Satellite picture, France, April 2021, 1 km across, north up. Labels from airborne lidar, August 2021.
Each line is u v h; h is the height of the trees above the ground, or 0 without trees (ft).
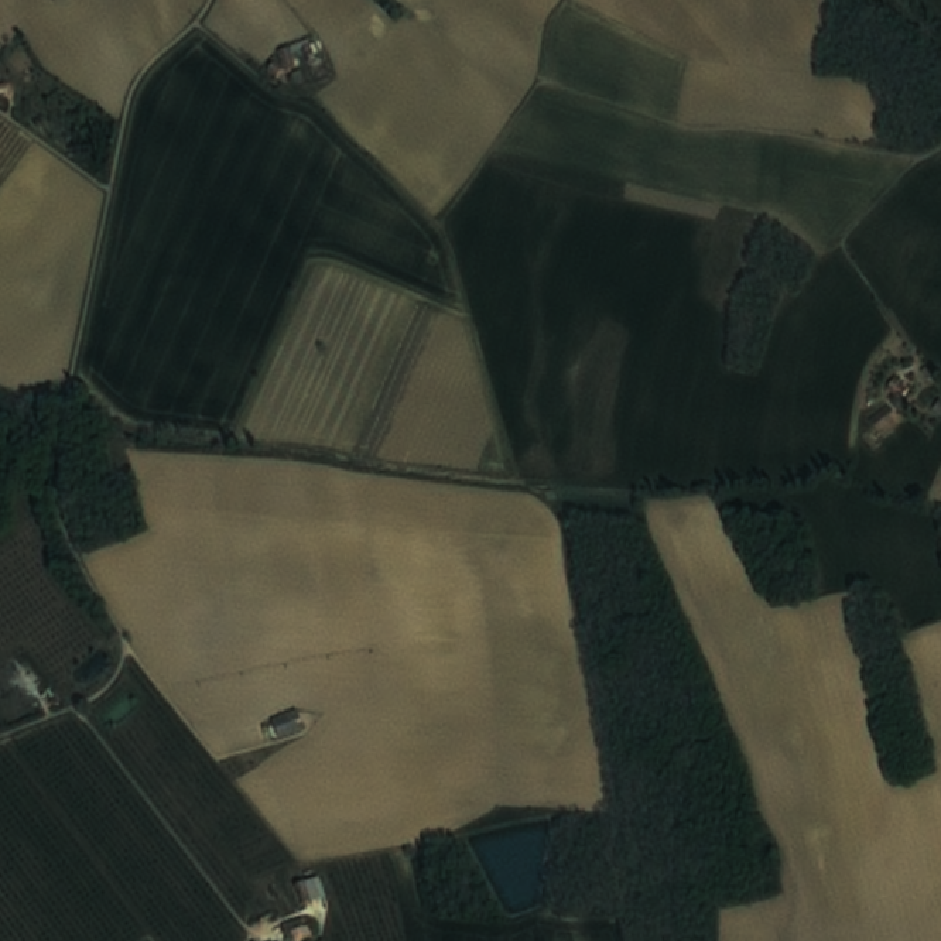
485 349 0
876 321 0
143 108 0
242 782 0
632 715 69
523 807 0
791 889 0
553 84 0
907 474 0
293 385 0
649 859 50
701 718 77
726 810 79
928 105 59
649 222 0
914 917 0
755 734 0
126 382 0
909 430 0
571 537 39
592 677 59
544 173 0
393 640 0
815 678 0
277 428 0
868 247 0
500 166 0
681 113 0
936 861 0
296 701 0
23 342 0
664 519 0
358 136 0
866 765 0
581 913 65
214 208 0
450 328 0
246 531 0
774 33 0
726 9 0
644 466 0
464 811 0
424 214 0
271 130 0
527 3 0
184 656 0
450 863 74
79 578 50
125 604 0
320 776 0
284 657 0
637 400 0
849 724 0
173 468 0
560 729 0
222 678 0
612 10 0
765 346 56
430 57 0
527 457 0
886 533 0
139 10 0
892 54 62
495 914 47
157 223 0
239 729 0
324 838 0
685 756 73
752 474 0
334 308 0
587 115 0
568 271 0
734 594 0
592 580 41
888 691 55
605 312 0
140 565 0
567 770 0
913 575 0
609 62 0
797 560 72
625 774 62
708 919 57
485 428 0
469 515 0
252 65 20
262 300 0
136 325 0
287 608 0
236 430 0
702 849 65
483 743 0
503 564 0
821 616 0
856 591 54
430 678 0
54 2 0
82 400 72
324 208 0
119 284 0
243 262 0
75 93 19
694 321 0
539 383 0
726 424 0
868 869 0
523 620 0
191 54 0
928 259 0
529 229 0
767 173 0
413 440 0
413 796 0
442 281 0
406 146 0
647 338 0
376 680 0
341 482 0
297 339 0
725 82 0
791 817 0
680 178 0
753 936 0
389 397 0
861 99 0
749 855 71
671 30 0
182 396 0
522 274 0
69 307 0
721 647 0
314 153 0
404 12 18
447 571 0
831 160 0
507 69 0
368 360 0
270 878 0
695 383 0
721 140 0
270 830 0
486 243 0
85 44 0
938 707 0
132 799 0
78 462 69
